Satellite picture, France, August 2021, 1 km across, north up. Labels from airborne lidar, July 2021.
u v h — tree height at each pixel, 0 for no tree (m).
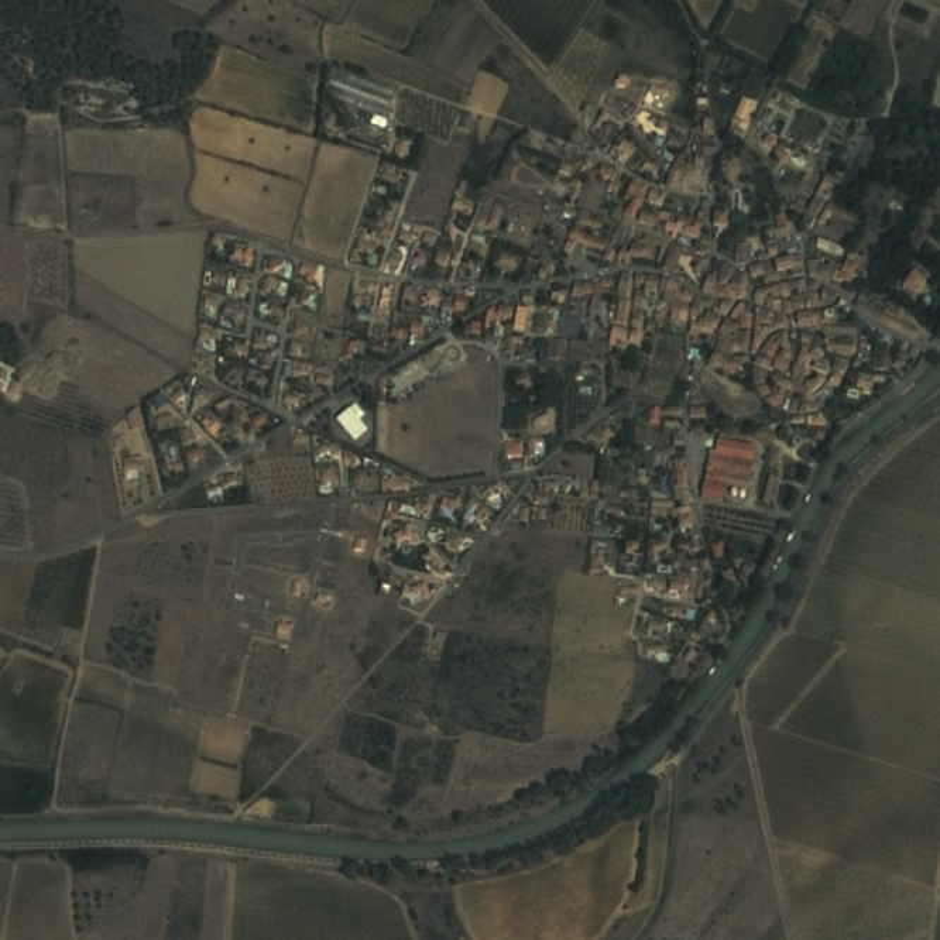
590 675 0
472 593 0
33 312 0
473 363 0
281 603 0
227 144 0
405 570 0
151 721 0
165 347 0
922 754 0
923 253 10
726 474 0
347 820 0
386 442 0
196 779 0
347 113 11
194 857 0
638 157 0
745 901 0
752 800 0
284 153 0
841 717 0
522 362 0
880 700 0
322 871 0
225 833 0
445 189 0
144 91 11
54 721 0
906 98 7
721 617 7
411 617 0
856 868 0
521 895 0
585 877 0
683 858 0
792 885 0
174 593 0
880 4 0
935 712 0
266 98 0
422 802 0
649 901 0
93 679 0
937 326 18
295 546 0
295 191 0
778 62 17
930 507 0
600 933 0
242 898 0
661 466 8
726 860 0
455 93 0
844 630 0
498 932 0
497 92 0
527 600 0
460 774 0
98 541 0
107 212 0
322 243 0
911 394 0
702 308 0
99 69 13
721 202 15
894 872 0
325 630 0
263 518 0
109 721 0
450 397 0
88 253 0
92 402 0
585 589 0
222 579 0
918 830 0
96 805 0
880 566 0
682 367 0
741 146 9
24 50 9
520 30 0
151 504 0
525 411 8
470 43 0
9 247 0
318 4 0
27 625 0
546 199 0
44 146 0
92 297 0
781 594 15
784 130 0
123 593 0
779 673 0
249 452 0
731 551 11
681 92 0
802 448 0
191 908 0
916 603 0
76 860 7
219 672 0
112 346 0
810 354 0
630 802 23
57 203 0
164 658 0
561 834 8
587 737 0
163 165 0
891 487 0
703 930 0
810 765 0
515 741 0
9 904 0
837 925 0
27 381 0
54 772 0
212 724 0
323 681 0
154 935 0
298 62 0
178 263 0
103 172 0
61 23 14
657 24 0
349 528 0
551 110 0
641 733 7
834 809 0
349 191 0
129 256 0
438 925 0
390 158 6
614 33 0
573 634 0
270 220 0
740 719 0
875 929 0
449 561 0
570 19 0
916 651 0
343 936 0
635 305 0
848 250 18
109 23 6
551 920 0
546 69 0
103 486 0
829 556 0
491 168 6
